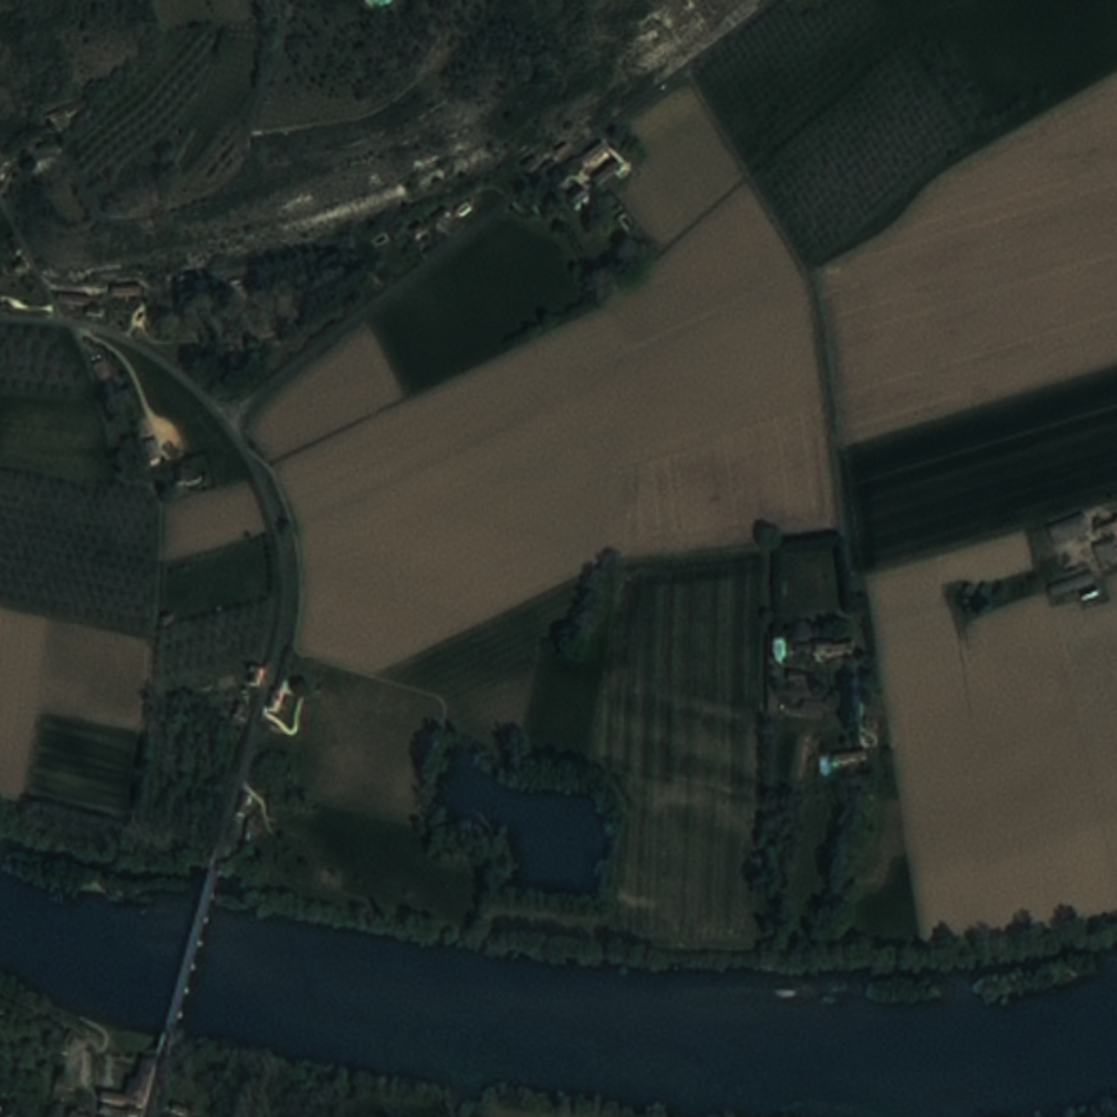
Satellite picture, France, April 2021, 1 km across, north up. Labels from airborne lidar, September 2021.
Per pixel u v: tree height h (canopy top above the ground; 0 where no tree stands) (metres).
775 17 14
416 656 5
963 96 16
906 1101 0
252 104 0
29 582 16
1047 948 24
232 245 0
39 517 12
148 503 11
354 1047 0
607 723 0
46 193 13
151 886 15
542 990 0
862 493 0
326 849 0
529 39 8
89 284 10
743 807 0
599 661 0
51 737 0
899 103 12
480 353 0
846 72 6
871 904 0
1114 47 0
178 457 10
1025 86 0
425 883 0
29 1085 15
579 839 0
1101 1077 0
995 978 8
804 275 0
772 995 0
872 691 17
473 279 0
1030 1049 0
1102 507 0
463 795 0
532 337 14
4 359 13
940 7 0
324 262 19
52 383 14
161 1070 13
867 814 17
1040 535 0
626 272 22
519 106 6
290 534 15
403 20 13
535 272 0
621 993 0
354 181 0
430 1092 20
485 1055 0
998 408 0
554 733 0
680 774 0
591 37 17
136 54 7
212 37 6
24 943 0
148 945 0
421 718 0
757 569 0
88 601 15
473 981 0
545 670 0
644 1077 0
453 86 8
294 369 0
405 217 10
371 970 0
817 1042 0
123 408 32
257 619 12
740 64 13
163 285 17
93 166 7
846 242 10
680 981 0
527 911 29
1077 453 0
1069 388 0
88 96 13
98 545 13
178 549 0
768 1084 0
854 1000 0
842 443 0
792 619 0
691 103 0
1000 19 0
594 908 29
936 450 0
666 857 0
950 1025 0
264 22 20
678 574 0
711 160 0
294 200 0
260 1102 39
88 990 0
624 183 0
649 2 10
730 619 0
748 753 0
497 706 5
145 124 6
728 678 0
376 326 0
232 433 0
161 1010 0
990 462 0
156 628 8
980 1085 0
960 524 0
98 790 0
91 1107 12
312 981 0
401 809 0
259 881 13
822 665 8
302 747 0
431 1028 0
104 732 0
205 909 0
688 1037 0
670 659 0
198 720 19
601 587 18
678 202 0
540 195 18
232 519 0
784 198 11
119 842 21
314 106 0
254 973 0
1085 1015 0
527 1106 15
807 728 0
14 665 0
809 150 11
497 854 18
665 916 0
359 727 0
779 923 22
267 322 26
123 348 0
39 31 14
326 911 16
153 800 18
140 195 14
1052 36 0
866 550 0
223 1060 27
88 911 0
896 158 13
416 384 0
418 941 12
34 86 9
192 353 0
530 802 0
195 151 0
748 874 0
